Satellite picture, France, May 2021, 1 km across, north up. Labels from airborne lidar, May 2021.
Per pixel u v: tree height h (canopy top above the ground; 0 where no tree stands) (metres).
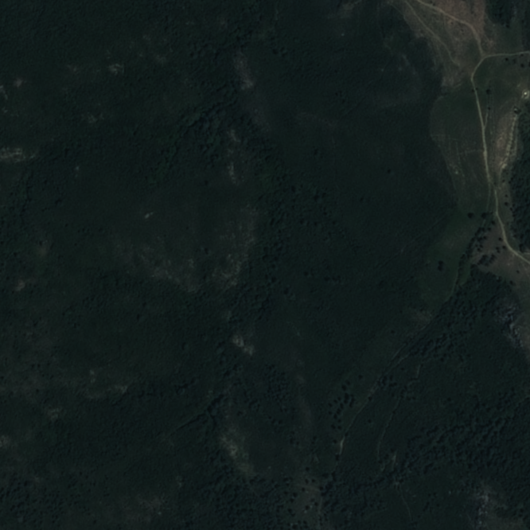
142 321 17
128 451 9
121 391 7
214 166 11
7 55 8
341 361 5
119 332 6
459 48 0
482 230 8
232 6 10
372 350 0
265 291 13
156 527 9
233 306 16
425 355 17
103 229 15
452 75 0
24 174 11
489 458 14
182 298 11
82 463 8
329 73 6
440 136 0
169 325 12
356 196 6
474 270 8
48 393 11
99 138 11
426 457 11
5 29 11
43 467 9
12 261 10
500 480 9
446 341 16
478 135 0
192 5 9
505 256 0
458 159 0
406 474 14
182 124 9
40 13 9
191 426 18
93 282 16
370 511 14
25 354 7
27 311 7
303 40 7
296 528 16
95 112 6
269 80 6
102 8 8
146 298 9
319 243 6
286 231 14
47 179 9
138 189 6
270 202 8
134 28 7
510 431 13
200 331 14
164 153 20
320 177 6
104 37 6
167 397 20
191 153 9
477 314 15
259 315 9
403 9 0
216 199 5
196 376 16
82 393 7
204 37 9
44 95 7
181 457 13
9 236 6
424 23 0
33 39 8
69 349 6
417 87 0
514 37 0
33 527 7
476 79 0
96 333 6
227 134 9
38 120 6
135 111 6
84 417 8
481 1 0
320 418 7
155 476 12
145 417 10
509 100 0
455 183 0
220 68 19
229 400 10
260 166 10
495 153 0
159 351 7
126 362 7
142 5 9
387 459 12
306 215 7
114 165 10
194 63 11
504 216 0
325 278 6
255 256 10
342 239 6
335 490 18
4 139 10
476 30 0
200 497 14
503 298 7
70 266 6
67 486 7
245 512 21
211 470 16
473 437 16
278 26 8
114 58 8
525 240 9
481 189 0
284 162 6
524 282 0
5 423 6
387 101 0
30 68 6
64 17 10
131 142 16
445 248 0
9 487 9
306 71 8
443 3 0
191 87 6
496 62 0
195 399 19
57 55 6
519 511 6
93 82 6
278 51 7
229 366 15
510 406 8
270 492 16
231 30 15
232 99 19
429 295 0
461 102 0
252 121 12
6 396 6
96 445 10
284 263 6
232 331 9
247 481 16
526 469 11
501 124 0
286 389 12
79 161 8
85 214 6
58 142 13
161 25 12
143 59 7
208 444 27
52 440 10
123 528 6
